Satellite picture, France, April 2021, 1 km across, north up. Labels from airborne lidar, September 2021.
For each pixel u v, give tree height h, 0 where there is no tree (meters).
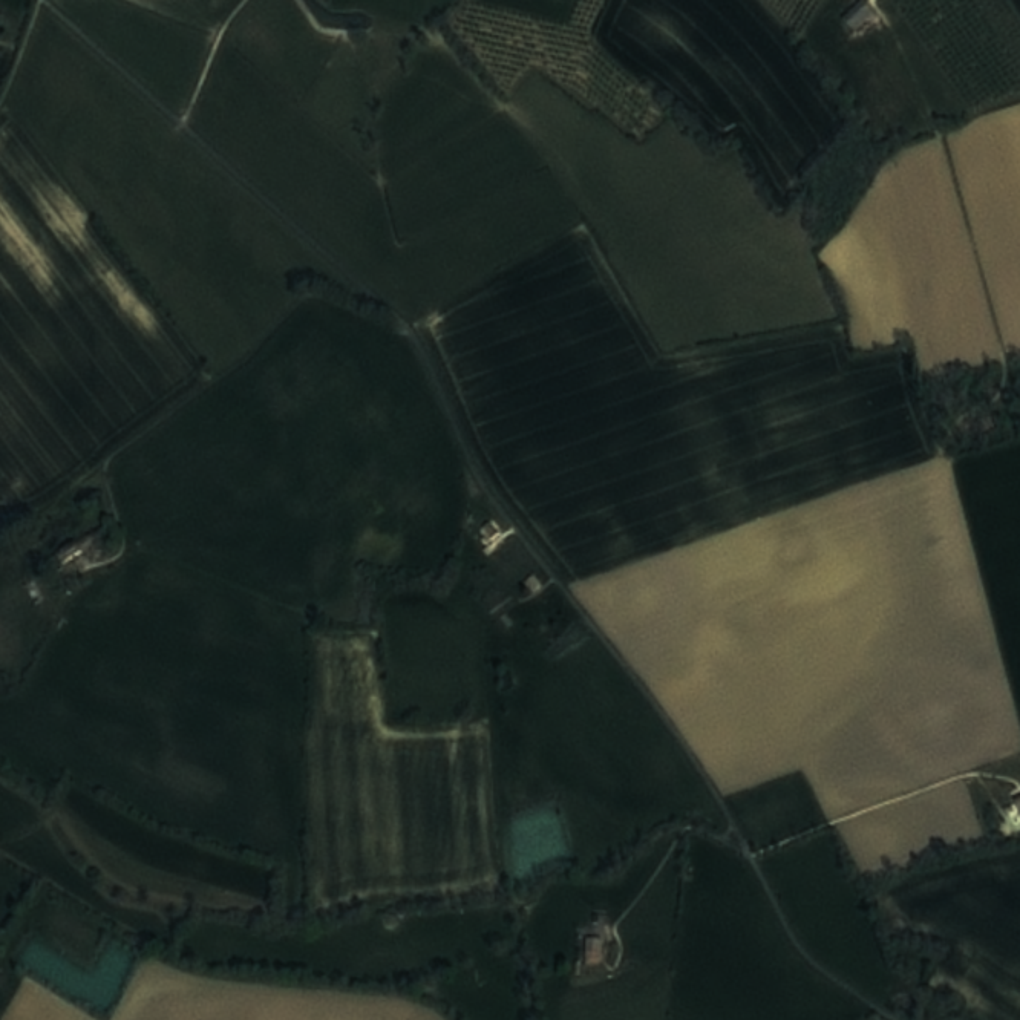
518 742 0
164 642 0
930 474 0
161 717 0
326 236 0
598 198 0
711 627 0
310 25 0
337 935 14
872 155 20
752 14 0
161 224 0
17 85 0
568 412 0
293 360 0
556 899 0
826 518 0
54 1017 0
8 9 0
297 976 17
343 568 0
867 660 0
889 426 0
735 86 0
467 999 0
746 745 0
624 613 0
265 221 0
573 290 0
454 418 0
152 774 0
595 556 0
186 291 0
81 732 0
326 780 0
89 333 0
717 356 0
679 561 0
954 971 0
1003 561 0
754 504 0
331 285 18
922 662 0
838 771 0
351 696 0
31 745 0
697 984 0
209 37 0
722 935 0
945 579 0
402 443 0
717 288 0
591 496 0
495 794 0
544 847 0
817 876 0
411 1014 0
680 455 0
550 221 0
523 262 0
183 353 0
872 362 0
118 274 0
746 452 0
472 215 0
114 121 0
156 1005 0
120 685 0
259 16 0
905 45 0
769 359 0
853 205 17
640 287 0
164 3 0
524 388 0
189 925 13
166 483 0
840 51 0
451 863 0
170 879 0
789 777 0
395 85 0
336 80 0
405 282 0
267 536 0
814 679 0
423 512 0
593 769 0
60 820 0
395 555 0
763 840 0
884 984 0
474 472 0
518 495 0
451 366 0
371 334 0
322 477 0
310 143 0
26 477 0
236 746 0
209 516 0
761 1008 0
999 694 0
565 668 0
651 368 0
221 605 0
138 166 0
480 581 6
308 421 0
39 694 0
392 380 0
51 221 0
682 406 0
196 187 0
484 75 14
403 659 0
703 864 0
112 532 14
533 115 0
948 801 0
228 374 0
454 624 0
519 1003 11
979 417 20
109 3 0
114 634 0
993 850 17
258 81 0
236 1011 0
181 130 0
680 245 0
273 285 0
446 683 0
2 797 0
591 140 0
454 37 16
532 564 0
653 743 0
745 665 0
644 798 0
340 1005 0
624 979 0
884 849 0
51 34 0
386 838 0
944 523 0
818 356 0
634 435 0
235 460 0
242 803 0
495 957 20
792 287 0
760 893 0
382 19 0
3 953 16
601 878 13
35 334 0
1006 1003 0
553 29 6
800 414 0
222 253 0
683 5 0
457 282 0
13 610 0
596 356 0
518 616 0
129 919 0
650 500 0
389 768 0
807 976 0
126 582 0
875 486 0
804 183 16
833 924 0
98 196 0
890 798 0
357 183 0
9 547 38
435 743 0
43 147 0
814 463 0
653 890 0
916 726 0
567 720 0
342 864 0
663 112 13
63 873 0
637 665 0
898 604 0
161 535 0
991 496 0
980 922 0
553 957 0
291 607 0
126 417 0
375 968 0
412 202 0
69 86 0
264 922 20
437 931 0
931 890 0
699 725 0
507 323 0
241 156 0
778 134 0
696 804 0
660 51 0
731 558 0
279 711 0
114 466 0
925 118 0
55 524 9
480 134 0
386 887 0
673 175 0
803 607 0
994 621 0
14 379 0
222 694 0
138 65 0
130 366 0
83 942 0
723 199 0
